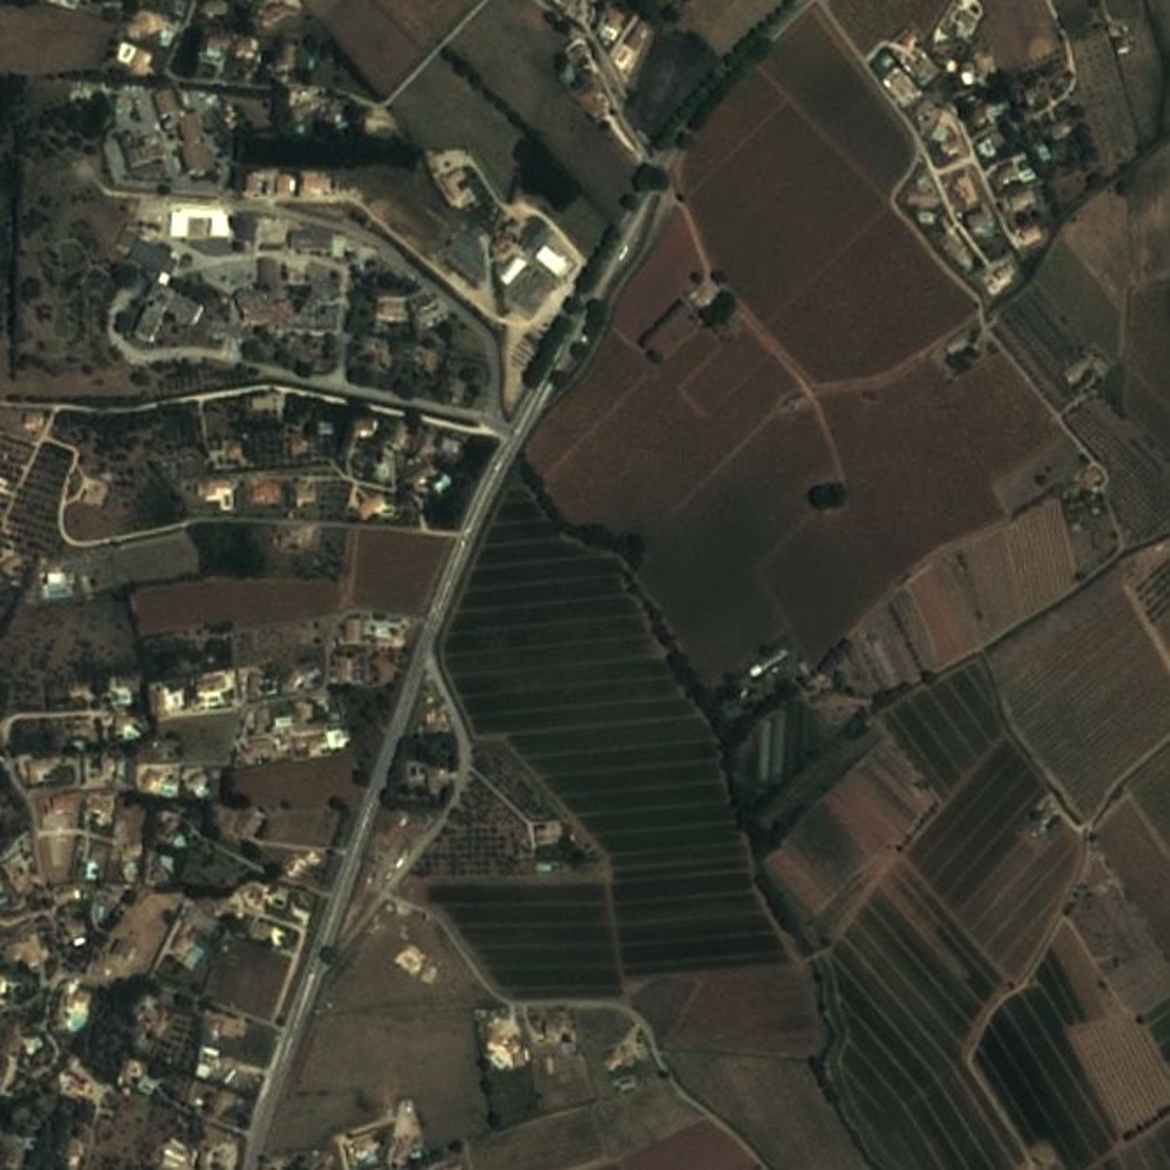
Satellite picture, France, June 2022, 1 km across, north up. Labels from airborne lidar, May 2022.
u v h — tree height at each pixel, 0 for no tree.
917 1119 0
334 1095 0
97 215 0
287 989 0
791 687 13
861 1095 0
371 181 0
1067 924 0
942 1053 0
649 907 0
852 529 0
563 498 0
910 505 0
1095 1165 0
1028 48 0
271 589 0
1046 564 0
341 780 0
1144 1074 0
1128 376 0
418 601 0
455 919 0
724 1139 0
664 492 0
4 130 9
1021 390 0
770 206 0
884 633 0
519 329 0
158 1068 12
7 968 7
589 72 7
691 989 0
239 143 11
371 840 0
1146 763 0
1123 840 0
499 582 0
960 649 0
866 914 0
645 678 0
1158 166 0
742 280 0
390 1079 0
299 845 0
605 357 0
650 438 0
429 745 6
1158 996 0
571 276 0
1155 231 0
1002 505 0
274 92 9
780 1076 0
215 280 0
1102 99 0
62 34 0
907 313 0
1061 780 0
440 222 0
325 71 0
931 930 0
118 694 8
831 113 0
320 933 0
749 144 0
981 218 0
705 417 0
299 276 0
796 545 0
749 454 0
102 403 18
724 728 19
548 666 0
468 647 0
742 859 0
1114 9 0
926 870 0
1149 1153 0
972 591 0
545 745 0
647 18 8
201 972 0
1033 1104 0
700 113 13
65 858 0
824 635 0
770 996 0
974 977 0
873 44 0
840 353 0
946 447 0
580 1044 0
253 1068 0
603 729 0
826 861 0
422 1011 0
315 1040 0
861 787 0
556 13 8
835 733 0
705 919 0
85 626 0
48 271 6
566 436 0
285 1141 0
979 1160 0
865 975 0
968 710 0
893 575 0
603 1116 0
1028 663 0
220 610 0
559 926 0
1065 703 0
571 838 6
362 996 0
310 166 8
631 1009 0
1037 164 11
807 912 0
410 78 0
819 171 0
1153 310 0
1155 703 0
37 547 5
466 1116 0
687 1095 0
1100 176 13
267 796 0
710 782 0
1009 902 0
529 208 0
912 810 0
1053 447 0
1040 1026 0
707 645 0
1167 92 0
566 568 0
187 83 9
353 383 12
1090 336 0
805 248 0
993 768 0
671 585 0
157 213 0
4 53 0
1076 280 0
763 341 0
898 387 0
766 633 0
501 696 0
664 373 0
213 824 9
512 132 0
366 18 0
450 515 7
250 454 14
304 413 10
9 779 14
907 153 0
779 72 0
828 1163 0
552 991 0
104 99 11
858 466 0
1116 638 0
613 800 0
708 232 0
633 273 0
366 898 0
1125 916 0
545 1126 0
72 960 7
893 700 13
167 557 0
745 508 0
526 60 0
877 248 0
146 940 0
